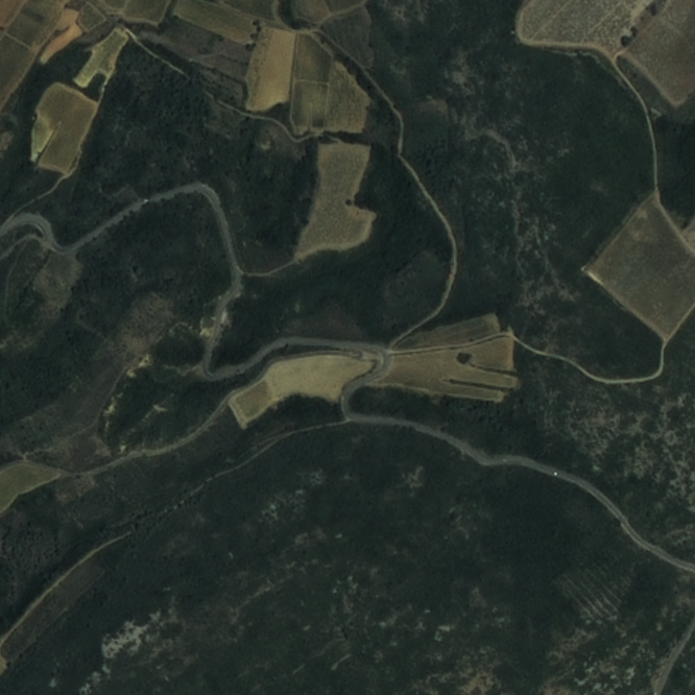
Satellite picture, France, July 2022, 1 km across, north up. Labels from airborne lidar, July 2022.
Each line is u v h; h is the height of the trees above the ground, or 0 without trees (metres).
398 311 0
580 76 0
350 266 6
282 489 0
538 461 8
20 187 0
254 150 8
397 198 8
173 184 8
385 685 0
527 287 0
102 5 0
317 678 0
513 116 0
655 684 0
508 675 0
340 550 0
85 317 6
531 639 0
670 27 0
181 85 14
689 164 6
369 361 0
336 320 0
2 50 0
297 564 0
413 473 0
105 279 6
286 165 6
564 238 0
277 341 0
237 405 0
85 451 0
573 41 0
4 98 0
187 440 0
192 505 7
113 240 6
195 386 8
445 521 6
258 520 0
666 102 0
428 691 0
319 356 0
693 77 0
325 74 0
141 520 13
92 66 0
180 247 0
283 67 0
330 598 0
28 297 12
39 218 0
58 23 0
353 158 0
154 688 0
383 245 6
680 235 0
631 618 0
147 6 0
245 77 0
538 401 9
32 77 5
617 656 0
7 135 0
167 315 0
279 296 7
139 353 0
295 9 0
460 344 0
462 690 0
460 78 0
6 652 0
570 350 0
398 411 11
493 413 14
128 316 0
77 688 0
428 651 0
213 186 6
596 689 0
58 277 0
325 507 0
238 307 7
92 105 0
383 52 0
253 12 0
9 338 0
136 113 6
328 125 0
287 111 6
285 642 0
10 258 6
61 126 0
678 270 0
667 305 0
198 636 0
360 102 0
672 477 0
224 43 0
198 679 0
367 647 0
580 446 0
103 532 12
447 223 0
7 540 14
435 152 10
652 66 0
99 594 6
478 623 0
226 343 7
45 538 8
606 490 7
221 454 11
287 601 0
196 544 0
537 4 0
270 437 0
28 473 0
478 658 0
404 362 0
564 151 0
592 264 0
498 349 0
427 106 0
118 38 0
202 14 0
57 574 14
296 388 0
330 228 0
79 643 0
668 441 0
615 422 0
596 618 0
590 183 0
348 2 0
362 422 0
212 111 11
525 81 0
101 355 0
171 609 0
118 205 6
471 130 0
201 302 8
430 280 0
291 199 10
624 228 0
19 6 0
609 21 0
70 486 0
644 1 0
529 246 0
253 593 0
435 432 0
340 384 0
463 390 0
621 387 0
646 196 0
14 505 7
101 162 7
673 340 0
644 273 0
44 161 0
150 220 6
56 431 0
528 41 0
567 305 0
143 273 7
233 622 0
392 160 8
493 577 0
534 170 0
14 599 8
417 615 0
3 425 7
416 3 0
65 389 6
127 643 0
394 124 10
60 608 0
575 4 0
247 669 0
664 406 0
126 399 7
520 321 0
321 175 0
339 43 0
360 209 7
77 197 7
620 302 0
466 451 0
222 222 0
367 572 0
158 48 10
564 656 0
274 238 9
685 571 0
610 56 0
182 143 7
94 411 0
